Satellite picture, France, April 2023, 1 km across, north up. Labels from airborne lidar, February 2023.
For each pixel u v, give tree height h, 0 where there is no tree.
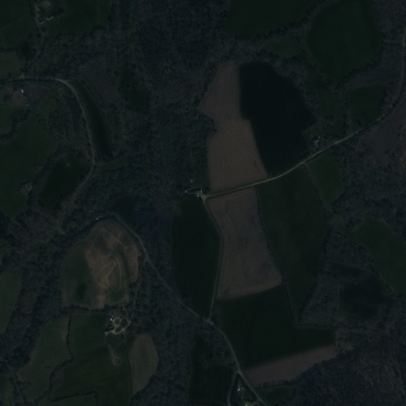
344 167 21
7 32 0
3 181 0
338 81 0
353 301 0
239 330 0
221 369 0
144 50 25
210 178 0
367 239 0
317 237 0
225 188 0
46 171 13
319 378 15
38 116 9
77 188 9
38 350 0
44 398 7
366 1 0
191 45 21
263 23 0
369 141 0
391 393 16
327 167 0
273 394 0
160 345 21
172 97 30
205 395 0
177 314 19
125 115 16
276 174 0
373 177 12
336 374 17
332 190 0
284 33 9
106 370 0
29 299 25
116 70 9
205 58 19
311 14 15
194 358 0
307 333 0
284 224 0
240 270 0
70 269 0
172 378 14
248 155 0
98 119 0
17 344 22
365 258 15
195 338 0
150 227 22
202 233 0
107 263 0
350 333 6
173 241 0
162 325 16
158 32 8
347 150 17
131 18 12
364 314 0
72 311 20
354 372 10
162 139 8
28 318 15
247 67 0
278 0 0
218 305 0
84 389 0
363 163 11
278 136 0
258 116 0
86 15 0
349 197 22
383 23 17
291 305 6
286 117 0
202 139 6
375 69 17
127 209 0
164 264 18
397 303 14
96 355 0
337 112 0
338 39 0
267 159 0
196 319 7
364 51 0
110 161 7
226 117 0
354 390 19
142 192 11
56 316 6
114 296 0
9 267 18
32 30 0
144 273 17
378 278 8
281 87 0
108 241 0
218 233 0
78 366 0
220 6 23
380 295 0
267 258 0
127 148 21
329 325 12
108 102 7
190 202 0
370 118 0
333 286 18
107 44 15
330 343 0
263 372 0
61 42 8
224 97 0
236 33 0
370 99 0
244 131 0
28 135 0
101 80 7
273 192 0
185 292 0
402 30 20
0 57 0
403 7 16
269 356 0
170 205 8
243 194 0
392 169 12
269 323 0
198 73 16
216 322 24
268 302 0
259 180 0
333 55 0
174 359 10
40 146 0
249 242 0
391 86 18
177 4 13
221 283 0
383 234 0
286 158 0
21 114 0
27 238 27
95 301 0
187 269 0
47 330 0
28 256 20
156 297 7
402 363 20
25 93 10
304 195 0
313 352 0
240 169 0
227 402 10
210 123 14
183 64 14
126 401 0
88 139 15
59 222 0
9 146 0
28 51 0
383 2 16
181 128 7
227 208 0
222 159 0
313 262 0
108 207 7
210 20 23
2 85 10
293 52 0
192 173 14
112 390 0
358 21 0
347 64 0
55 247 17
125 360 0
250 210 0
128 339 0
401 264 0
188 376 15
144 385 0
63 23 0
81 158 22
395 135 0
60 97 6
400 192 12
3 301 0
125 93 0
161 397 19
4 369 16
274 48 0
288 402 12
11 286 0
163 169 15
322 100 0
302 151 0
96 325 0
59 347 0
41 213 26
